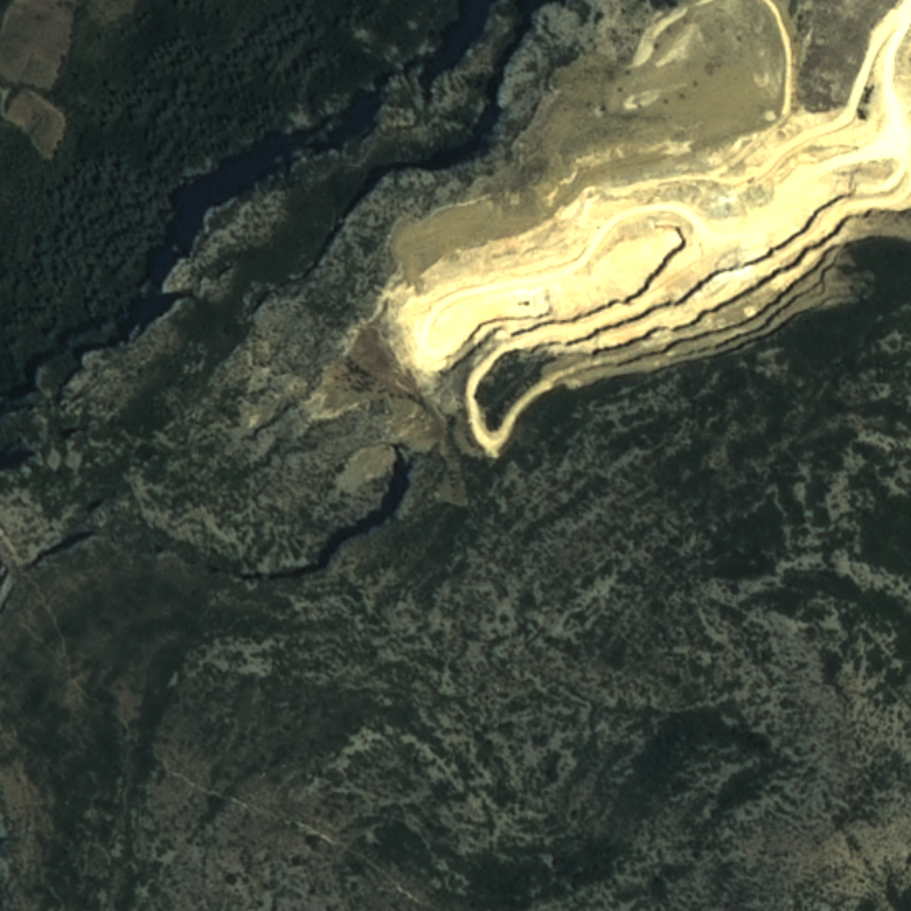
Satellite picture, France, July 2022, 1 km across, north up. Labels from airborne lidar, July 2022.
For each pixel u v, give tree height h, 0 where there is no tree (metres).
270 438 0
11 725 0
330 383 0
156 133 8
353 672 0
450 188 0
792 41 0
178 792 0
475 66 0
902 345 0
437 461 0
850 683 0
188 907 0
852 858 0
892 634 0
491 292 0
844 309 0
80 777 0
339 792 0
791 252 0
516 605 0
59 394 0
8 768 0
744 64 0
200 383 0
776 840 0
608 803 0
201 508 0
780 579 0
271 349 0
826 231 0
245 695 0
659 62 0
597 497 0
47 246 16
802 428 0
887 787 0
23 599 0
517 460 0
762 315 0
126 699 0
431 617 0
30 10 0
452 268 0
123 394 0
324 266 0
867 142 0
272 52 17
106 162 16
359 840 0
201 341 0
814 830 0
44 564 0
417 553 0
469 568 0
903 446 0
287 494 0
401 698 0
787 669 0
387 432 0
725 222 0
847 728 0
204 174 10
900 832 0
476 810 0
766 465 0
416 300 0
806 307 0
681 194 0
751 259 0
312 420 0
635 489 0
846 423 0
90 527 0
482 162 0
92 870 0
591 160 0
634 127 0
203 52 16
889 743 0
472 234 0
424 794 0
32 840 0
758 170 0
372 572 0
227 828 0
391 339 0
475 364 0
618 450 0
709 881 0
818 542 0
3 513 0
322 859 0
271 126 8
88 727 0
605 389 0
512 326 0
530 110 0
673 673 0
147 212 11
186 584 0
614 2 0
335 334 0
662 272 0
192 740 0
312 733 0
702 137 0
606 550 0
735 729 6
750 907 0
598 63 0
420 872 0
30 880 0
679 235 0
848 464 0
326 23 6
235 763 0
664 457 0
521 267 0
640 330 0
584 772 0
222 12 11
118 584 0
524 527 0
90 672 0
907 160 0
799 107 0
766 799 0
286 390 0
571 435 0
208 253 0
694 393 0
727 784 0
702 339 0
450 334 0
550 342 0
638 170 0
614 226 0
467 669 0
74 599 0
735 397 0
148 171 14
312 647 0
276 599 0
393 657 0
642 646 0
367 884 0
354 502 0
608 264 0
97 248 19
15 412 7
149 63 12
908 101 0
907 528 0
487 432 0
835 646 0
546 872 6
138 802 0
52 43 0
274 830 0
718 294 0
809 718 0
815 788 0
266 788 0
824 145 0
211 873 0
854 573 0
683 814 0
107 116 12
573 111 0
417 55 7
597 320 0
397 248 0
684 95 0
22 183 8
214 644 0
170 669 0
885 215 0
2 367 6
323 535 0
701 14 0
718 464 0
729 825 0
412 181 0
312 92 6
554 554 0
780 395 0
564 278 0
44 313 16
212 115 7
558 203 0
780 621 0
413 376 0
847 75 0
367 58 7
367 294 0
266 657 0
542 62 0
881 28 0
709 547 0
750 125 0
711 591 0
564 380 0
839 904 0
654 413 0
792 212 0
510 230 0
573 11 0
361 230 0
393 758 0
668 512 0
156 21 6
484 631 0
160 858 0
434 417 0
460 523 0
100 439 0
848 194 0
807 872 0
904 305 0
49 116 0
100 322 7
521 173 0
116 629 0
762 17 0
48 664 0
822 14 0
